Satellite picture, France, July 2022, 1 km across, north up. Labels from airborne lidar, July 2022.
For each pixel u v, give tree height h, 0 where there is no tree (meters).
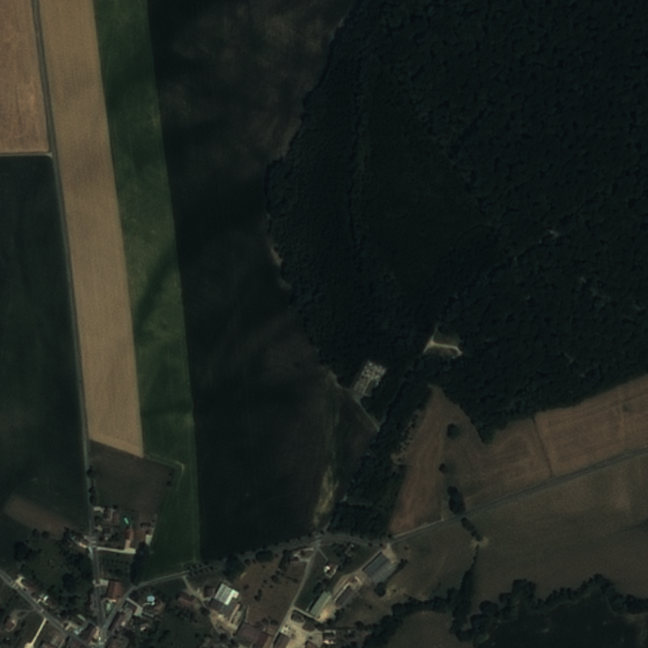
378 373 0
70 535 8
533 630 0
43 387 0
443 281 18
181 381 0
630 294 28
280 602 0
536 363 30
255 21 0
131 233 0
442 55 29
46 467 0
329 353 10
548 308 26
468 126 6
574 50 26
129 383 0
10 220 0
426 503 0
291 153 8
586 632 0
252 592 0
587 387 24
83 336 0
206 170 0
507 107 27
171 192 0
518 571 0
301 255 9
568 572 0
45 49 0
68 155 0
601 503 0
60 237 0
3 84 0
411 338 29
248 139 0
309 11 0
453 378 23
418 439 0
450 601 13
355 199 15
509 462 0
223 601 0
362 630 18
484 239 8
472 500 0
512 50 26
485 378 22
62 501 0
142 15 0
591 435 0
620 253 28
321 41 0
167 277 0
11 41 0
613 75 24
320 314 24
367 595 0
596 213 30
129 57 0
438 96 28
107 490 0
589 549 0
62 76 0
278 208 18
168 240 0
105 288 0
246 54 0
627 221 29
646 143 27
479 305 30
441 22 28
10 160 0
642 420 0
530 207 28
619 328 25
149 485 0
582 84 29
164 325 0
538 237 24
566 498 0
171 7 0
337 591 0
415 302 8
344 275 12
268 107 0
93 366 0
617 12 27
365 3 23
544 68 28
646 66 27
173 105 0
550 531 0
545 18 26
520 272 25
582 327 25
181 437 0
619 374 21
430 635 0
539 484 0
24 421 0
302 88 0
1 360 0
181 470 0
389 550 0
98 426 0
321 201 9
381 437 12
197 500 0
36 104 0
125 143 0
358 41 25
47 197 0
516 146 27
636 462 0
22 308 0
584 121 29
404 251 8
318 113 19
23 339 0
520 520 0
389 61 27
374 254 26
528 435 0
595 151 30
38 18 0
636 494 0
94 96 0
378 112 7
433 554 0
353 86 13
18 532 0
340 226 10
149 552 22
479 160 31
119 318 0
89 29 0
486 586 0
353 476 0
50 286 0
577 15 25
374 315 14
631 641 0
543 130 26
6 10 0
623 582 0
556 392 22
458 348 0
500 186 30
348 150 11
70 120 0
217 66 0
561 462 0
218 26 0
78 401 0
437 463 0
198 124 0
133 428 0
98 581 0
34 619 0
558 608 0
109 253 0
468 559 0
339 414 0
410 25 26
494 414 21
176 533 0
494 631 0
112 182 0
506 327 32
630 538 0
